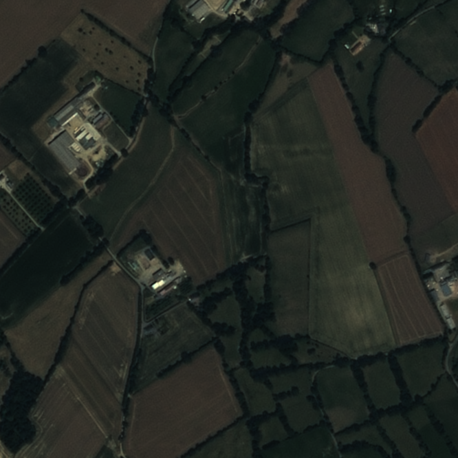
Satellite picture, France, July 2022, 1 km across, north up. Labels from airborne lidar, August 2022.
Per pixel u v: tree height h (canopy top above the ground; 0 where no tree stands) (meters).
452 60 0
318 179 0
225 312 0
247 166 9
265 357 0
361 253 0
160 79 0
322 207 0
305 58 7
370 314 0
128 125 0
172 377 0
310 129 0
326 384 0
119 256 7
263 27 21
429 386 0
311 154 0
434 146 0
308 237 0
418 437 13
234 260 0
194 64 0
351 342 0
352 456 0
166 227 0
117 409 0
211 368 0
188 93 0
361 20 14
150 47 0
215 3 0
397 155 0
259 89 0
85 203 0
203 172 0
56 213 13
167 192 0
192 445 0
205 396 0
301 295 0
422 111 0
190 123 0
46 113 0
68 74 0
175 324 0
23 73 13
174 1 7
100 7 0
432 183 0
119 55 0
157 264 0
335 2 0
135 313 0
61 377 0
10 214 6
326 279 0
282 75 0
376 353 0
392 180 11
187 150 0
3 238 0
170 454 0
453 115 0
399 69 0
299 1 0
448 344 11
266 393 0
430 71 0
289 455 0
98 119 0
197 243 0
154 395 0
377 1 0
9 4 0
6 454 0
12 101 0
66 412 0
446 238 0
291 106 0
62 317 0
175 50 0
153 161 0
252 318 20
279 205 0
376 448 6
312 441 0
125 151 12
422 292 0
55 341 0
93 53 0
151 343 0
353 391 0
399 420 0
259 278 0
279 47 14
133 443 0
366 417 0
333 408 0
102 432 0
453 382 6
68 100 0
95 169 0
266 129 0
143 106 17
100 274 9
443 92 13
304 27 0
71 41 0
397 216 0
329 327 0
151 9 0
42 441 0
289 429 12
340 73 22
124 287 0
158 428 0
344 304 0
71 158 0
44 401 0
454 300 0
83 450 0
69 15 0
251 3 7
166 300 5
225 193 0
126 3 0
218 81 0
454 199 0
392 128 0
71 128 0
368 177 0
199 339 0
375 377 0
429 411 7
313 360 0
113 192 0
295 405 0
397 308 0
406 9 0
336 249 0
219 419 0
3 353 0
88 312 0
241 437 0
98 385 0
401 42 0
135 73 0
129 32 0
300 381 0
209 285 13
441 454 0
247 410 16
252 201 0
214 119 0
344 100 0
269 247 0
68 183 0
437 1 0
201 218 0
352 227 0
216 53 20
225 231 0
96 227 21
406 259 0
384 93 0
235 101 0
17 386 16
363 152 0
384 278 0
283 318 0
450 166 0
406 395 19
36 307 0
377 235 0
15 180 0
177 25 16
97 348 0
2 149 0
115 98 0
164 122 0
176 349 0
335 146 0
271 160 0
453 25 0
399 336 0
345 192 0
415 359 0
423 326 0
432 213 0
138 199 0
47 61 0
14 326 0
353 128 0
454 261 7
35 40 0
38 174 6
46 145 0
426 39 0
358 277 0
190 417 0
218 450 0
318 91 0
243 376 0
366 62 0
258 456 15
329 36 0
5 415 11
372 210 0
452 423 0
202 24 0
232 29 14
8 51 0
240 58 0
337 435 8
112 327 0
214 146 0
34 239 12
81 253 0
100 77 7
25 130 0
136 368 16
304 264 0
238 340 0
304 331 0
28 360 0
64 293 0
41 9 0
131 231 0
